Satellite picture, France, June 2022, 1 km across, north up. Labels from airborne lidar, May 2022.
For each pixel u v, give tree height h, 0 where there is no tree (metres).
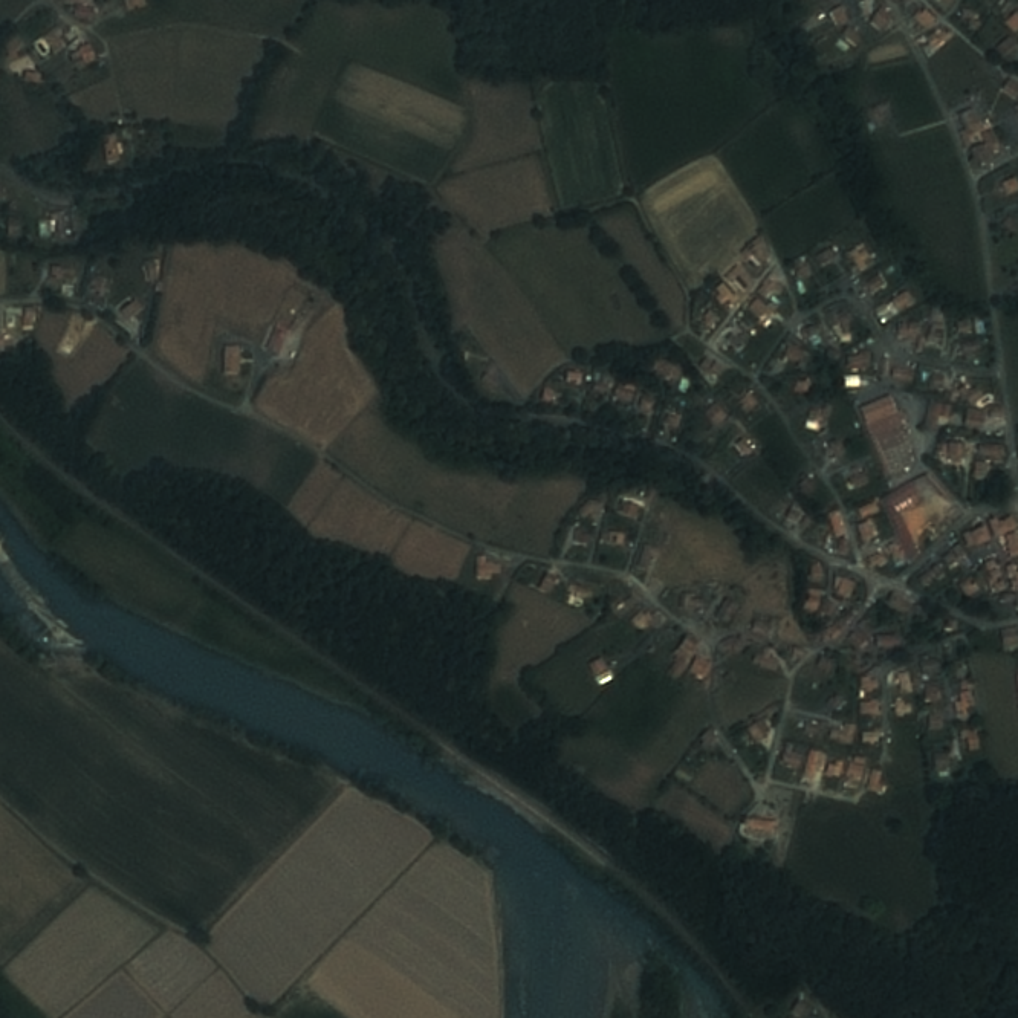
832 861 0
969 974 24
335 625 23
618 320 0
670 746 0
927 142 0
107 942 0
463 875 0
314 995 0
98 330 0
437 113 0
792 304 0
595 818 21
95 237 13
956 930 19
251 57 0
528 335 0
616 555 0
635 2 15
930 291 10
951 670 14
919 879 0
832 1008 22
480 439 18
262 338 0
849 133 7
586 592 0
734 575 0
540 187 0
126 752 0
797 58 21
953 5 0
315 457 0
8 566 0
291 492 0
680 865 22
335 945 0
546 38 24
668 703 0
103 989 0
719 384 0
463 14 17
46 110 0
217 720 6
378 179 0
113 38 0
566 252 0
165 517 20
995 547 0
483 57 17
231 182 31
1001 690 0
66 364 0
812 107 8
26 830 0
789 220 0
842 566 0
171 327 0
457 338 8
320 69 0
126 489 21
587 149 0
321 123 0
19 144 0
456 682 23
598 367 11
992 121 0
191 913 0
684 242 0
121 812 0
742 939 19
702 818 0
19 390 18
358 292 13
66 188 10
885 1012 23
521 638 0
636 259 0
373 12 0
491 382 0
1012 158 0
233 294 0
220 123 0
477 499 0
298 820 0
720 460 0
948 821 22
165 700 0
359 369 0
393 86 0
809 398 10
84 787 0
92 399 11
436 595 22
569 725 8
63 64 0
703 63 0
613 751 0
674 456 25
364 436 0
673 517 0
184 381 0
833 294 8
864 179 15
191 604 0
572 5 22
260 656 0
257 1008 22
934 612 15
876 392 0
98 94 0
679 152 0
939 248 0
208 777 0
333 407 0
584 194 0
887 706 0
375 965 0
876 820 0
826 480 0
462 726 18
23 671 0
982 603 11
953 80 0
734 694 0
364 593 25
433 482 0
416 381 24
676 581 0
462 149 0
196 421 0
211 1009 0
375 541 0
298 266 9
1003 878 25
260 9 0
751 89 0
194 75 0
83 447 19
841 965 26
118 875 0
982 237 0
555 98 0
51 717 0
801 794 0
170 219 20
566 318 0
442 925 0
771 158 0
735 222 0
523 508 0
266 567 13
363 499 0
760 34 7
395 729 9
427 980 0
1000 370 0
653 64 0
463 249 0
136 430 0
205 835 0
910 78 0
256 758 0
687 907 19
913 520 0
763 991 11
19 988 0
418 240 17
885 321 0
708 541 0
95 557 0
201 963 0
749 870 25
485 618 12
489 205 0
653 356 18
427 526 0
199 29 0
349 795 0
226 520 20
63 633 0
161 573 0
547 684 0
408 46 0
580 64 23
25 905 0
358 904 0
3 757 0
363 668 16
